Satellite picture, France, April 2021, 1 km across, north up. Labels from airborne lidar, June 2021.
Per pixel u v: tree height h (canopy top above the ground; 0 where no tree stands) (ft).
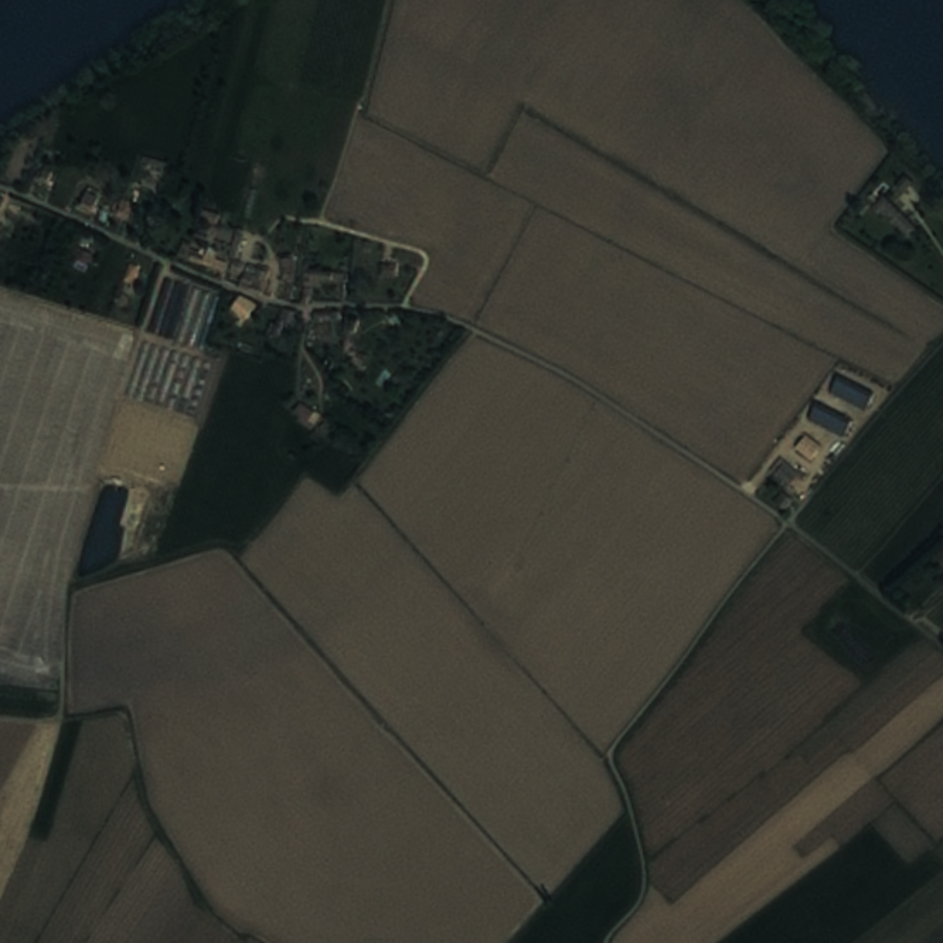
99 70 43
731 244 0
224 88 38
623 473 0
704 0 0
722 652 0
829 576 0
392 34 0
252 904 0
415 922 0
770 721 0
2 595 0
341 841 0
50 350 0
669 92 0
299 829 0
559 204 0
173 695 0
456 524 0
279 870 0
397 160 0
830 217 0
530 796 0
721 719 0
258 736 0
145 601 0
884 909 0
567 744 0
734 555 0
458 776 0
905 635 0
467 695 0
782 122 0
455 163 0
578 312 0
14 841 0
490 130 0
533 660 0
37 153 25
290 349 40
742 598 0
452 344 27
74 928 0
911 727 0
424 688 0
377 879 0
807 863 0
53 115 29
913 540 0
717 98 0
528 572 0
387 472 0
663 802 0
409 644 0
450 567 0
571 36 0
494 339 0
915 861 0
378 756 0
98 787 0
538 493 0
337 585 0
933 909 0
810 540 0
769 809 0
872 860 0
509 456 0
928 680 0
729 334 0
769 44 0
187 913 0
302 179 0
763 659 0
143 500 0
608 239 0
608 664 0
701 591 0
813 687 0
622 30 0
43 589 0
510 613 0
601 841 0
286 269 0
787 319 0
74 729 0
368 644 0
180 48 58
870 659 0
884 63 0
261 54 0
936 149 0
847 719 0
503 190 0
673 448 0
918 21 0
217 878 0
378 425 20
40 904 0
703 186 0
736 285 0
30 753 0
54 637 0
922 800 0
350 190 0
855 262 0
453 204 0
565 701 0
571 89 0
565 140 0
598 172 0
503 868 0
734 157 0
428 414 0
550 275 0
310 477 0
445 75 0
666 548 0
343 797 0
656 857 0
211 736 0
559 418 0
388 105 0
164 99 0
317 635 0
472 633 0
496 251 0
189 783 0
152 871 0
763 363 0
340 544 0
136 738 0
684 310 0
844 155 0
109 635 0
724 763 0
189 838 0
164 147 0
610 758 0
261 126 0
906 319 0
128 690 0
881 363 0
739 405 0
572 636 0
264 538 0
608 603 0
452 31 0
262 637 0
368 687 0
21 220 0
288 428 0
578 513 0
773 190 0
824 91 0
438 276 0
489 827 0
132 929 0
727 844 0
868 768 0
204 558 0
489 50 0
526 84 0
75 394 0
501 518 0
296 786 0
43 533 0
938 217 55
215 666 0
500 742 0
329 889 0
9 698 0
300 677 0
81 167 0
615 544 0
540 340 0
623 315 0
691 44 0
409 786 0
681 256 0
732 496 0
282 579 0
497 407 0
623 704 0
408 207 0
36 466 0
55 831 0
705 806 0
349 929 0
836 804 0
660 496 0
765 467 0
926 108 0
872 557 0
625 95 0
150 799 0
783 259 0
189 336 0
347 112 0
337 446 41
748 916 0
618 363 0
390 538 0
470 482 0
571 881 0
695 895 0
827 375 0
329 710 0
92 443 0
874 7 0
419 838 0
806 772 0
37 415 0
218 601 0
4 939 0
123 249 0
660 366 0
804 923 0
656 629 0
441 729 0
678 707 0
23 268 0
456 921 0
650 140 0
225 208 0
